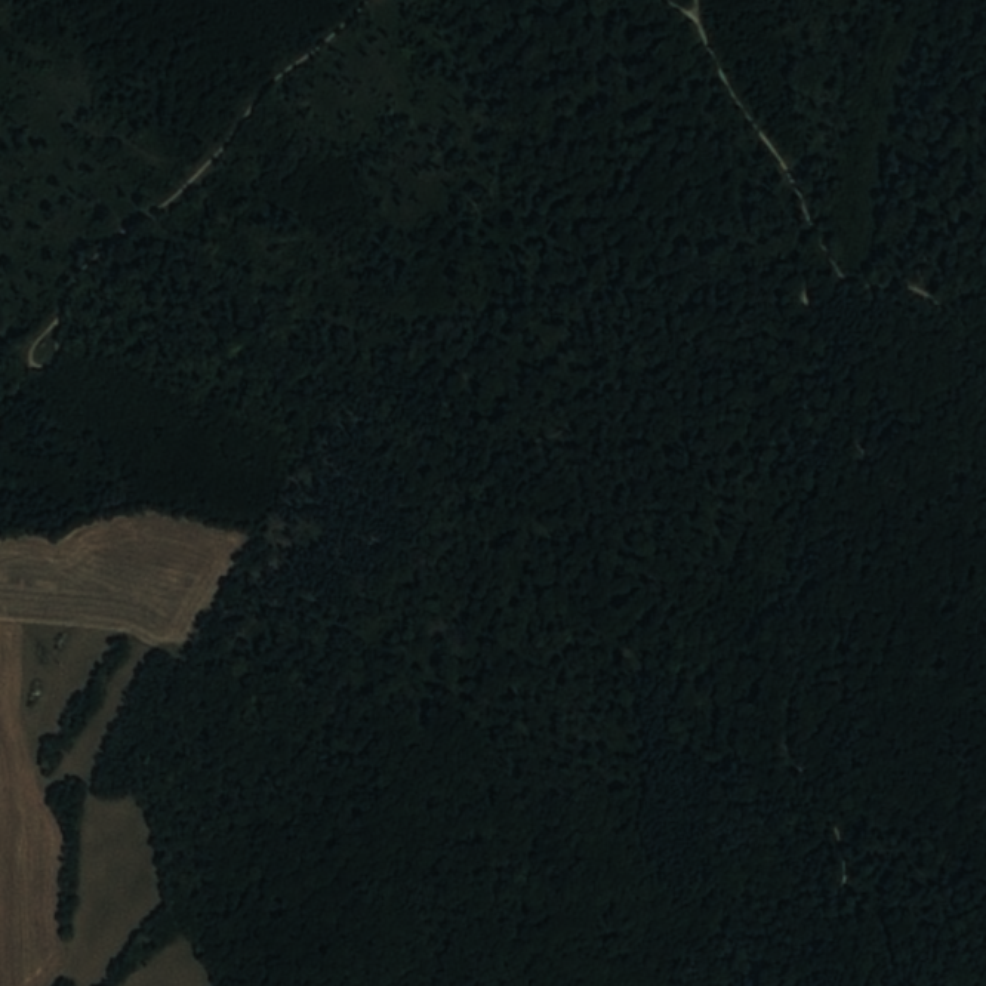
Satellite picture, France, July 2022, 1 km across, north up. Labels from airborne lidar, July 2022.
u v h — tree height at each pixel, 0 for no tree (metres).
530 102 21
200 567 0
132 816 0
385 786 26
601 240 21
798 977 25
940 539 27
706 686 26
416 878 28
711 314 24
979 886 18
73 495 11
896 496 22
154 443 9
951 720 31
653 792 25
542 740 20
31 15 7
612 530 24
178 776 19
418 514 19
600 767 27
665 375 26
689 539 32
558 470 28
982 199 25
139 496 10
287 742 22
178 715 21
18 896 0
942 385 22
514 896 22
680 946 23
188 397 12
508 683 26
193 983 0
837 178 14
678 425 26
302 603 21
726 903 18
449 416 21
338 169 7
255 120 10
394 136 24
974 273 20
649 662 27
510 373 29
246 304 20
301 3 15
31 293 0
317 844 27
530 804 24
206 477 11
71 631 0
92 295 10
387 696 28
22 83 6
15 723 0
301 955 28
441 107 0
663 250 29
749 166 25
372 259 21
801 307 21
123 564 0
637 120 27
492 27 28
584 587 29
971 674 27
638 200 23
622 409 25
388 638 17
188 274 20
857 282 18
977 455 20
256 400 18
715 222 23
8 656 0
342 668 20
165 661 17
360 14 24
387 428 19
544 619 20
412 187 0
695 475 31
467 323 20
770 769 21
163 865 16
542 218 29
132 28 20
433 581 21
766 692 25
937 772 30
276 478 11
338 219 8
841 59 8
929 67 13
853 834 7
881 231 11
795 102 23
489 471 22
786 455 26
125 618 0
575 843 29
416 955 29
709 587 29
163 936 17
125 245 22
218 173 7
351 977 28
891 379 28
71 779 14
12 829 0
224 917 21
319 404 17
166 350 20
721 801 25
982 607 26
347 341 21
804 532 26
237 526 16
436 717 28
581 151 24
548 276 22
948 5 27
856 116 21
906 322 24
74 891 11
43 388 13
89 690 14
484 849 24
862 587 27
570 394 26
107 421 10
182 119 12
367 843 30
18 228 21
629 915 20
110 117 9
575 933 30
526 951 29
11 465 9
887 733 30
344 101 0
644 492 26
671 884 26
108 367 10
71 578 0
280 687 21
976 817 29
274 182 8
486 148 27
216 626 21
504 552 28
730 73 12
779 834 15
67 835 14
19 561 0
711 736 18
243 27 14
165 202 0
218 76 20
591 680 20
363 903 34
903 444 21
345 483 22
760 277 26
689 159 30
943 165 27
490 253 24
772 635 24
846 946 22
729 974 24
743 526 29
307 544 15
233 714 22
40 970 0
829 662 20
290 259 23
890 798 28
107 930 0
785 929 21
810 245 23
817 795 24
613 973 25
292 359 21
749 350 22
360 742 27
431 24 22
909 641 29
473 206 20
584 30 24
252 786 17
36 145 22
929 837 25
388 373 20
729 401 29
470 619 24
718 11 8
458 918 26
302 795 20
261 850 20
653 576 30
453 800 24
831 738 18
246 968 23
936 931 22
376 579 19
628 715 27
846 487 31
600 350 22
